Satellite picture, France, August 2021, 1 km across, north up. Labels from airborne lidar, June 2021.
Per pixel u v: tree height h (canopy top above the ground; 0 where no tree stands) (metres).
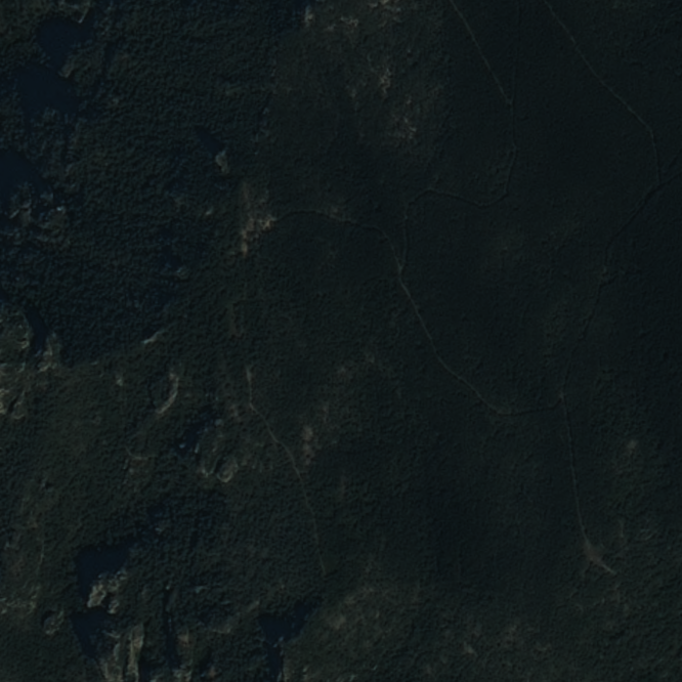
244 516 5
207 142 7
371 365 6
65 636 11
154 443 11
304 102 12
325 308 8
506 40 14
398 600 7
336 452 7
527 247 12
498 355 11
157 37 6
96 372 6
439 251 11
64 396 9
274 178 10
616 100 12
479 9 11
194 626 7
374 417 8
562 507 10
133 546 12
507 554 9
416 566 6
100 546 14
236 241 7
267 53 5
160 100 7
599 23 11
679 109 12
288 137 12
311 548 6
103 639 7
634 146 13
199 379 11
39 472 10
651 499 12
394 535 8
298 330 5
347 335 7
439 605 6
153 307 7
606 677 5
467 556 18
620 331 14
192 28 9
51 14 8
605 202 12
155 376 10
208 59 6
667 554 6
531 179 11
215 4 7
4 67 14
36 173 7
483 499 13
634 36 10
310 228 9
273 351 6
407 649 8
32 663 11
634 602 7
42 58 13
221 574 9
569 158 13
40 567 7
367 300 6
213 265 8
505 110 13
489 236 11
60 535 10
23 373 6
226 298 10
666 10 17
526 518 7
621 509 10
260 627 12
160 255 9
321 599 6
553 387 11
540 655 6
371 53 8
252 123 6
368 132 10
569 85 13
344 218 9
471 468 9
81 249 7
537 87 12
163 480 8
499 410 7
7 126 11
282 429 7
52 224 7
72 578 13
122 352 7
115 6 6
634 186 13
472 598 6
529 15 14
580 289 10
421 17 7
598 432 7
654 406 14
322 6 7
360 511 6
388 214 12
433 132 8
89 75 9
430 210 10
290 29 8
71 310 6
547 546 9
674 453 14
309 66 7
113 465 7
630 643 6
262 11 11
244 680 9
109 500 10
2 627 6
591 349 12
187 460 44
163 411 11
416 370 10
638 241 17
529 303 11
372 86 7
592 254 12
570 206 11
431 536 10
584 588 7
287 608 7
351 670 5
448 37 10
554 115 13
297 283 7
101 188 8
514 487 7
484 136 12
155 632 7
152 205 7
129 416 11
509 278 12
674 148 13
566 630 6
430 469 15
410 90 6
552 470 12
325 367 6
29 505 6
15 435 11
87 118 13
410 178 10
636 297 14
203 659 13
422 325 13
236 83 8
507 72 13
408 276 12
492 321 13
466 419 11
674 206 16
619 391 10
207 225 7
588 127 13
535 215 12
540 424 10
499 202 12
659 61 14
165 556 7
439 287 11
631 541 6
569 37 13
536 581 8
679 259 19
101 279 8
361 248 13
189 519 11
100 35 6
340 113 8
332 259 7
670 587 7
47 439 9
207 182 7
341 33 8
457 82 10
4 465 8
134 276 6
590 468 10
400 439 8
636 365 14
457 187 7
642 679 12
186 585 7
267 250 8
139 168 10
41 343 17
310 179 10
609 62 13
